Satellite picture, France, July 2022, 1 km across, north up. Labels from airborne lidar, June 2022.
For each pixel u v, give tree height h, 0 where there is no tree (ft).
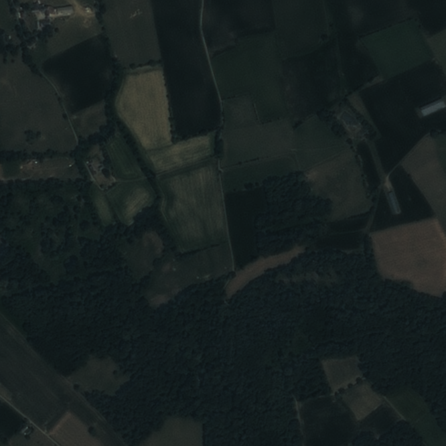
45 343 55
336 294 79
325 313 52
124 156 0
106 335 68
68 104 0
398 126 0
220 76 0
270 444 60
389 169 0
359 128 0
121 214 0
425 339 75
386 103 0
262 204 0
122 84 0
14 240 30
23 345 0
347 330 63
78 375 0
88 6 0
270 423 77
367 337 86
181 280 0
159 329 78
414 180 0
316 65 0
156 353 77
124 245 0
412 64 0
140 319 83
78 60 0
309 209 71
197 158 0
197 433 0
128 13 0
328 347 58
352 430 0
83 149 73
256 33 0
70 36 0
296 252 0
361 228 0
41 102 0
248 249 0
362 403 0
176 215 0
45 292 75
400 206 0
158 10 0
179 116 0
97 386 0
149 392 71
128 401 65
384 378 55
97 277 73
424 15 0
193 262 0
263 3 0
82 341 56
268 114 0
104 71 0
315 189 0
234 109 0
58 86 0
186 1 0
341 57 0
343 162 0
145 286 58
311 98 0
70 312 94
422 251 0
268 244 85
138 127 0
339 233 0
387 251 0
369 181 0
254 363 61
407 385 46
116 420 72
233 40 0
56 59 0
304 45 0
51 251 56
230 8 0
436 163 0
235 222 0
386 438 56
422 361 76
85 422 0
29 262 52
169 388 35
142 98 0
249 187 53
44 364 0
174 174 0
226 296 65
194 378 94
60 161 0
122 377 0
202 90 0
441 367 78
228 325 93
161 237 56
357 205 0
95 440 0
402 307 74
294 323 54
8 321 0
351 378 0
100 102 0
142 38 0
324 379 62
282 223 57
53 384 0
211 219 0
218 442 75
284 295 61
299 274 68
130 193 0
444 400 83
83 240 56
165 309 73
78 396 0
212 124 0
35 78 0
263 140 0
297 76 0
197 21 0
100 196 0
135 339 61
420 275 0
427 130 0
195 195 0
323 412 0
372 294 72
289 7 0
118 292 88
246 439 70
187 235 0
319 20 0
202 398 77
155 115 0
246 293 60
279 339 70
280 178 31
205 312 73
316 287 90
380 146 0
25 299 43
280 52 0
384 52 0
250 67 0
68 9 0
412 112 0
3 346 0
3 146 0
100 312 48
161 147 0
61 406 0
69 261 52
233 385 79
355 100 0
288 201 64
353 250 0
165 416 48
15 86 0
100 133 21
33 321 45
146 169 39
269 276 66
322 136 0
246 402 72
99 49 0
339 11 0
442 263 0
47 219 33
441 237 0
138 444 55
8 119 0
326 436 0
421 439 60
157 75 0
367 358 71
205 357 62
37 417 0
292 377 79
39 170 0
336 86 0
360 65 0
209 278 0
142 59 0
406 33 0
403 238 0
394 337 70
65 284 85
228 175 0
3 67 0
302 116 0
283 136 0
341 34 0
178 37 0
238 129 0
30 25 0
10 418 0
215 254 0
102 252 91
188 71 0
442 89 0
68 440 0
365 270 87
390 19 0
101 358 28
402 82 0
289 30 0
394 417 0
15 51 55
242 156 0
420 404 0
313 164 0
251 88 0
